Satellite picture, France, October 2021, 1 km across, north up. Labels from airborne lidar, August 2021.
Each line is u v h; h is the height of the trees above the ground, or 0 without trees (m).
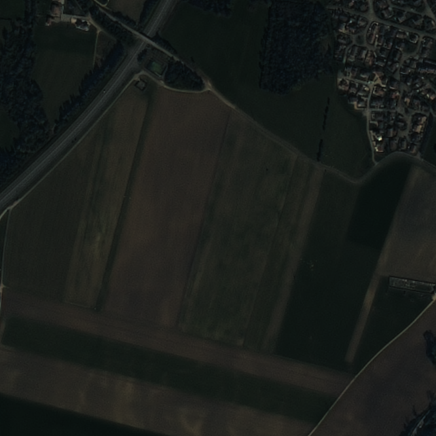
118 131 0
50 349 0
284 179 0
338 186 0
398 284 0
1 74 14
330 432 0
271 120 0
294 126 0
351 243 0
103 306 0
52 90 0
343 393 0
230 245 0
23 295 0
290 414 0
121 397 0
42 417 0
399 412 0
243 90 0
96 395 0
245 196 0
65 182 0
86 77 0
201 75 0
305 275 0
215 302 0
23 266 0
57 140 0
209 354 0
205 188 0
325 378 0
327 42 0
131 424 0
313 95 0
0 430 0
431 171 0
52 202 0
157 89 0
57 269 0
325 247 0
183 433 0
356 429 0
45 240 0
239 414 0
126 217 0
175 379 0
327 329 0
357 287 0
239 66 0
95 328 0
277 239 0
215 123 0
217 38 0
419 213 0
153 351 0
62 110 0
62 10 0
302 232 0
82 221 0
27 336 0
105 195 0
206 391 0
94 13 13
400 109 0
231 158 0
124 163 0
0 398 0
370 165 0
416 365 0
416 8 0
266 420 0
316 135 0
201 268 0
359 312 0
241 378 0
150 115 0
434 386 0
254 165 0
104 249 0
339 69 0
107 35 0
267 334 0
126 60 0
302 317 0
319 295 0
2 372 0
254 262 0
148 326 0
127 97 0
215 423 0
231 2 24
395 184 0
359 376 0
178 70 12
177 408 0
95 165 0
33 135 20
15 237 0
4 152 0
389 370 0
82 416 0
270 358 0
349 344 0
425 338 0
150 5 11
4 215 0
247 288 0
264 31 0
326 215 0
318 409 0
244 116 0
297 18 14
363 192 0
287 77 20
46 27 0
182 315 0
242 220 0
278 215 0
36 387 0
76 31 0
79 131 0
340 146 0
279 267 0
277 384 0
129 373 0
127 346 0
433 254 0
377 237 0
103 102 0
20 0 0
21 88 15
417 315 0
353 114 0
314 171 0
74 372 0
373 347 0
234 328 0
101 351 0
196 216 0
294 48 21
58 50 0
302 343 0
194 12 0
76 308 0
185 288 0
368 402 0
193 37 0
